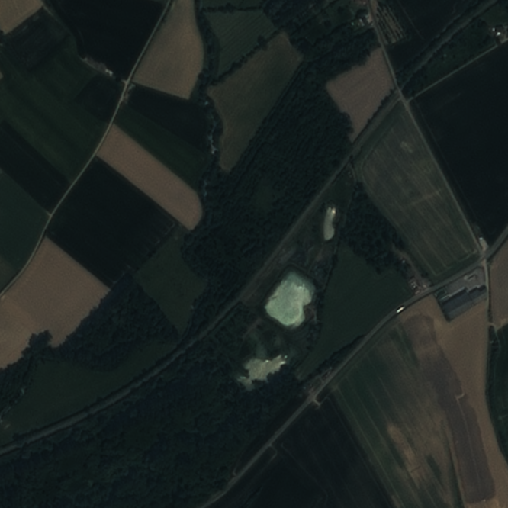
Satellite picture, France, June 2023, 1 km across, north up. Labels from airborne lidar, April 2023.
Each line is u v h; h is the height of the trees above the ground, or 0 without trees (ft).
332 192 0
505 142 0
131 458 24
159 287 0
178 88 0
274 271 0
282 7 69
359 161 0
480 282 0
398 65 0
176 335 102
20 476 104
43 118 0
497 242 0
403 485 0
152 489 102
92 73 0
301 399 0
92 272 0
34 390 0
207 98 27
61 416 0
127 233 0
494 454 0
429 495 0
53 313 0
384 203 0
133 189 0
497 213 0
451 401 0
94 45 0
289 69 0
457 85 0
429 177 0
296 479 0
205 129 0
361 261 0
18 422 0
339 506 0
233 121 0
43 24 0
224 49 0
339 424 0
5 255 0
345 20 0
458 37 42
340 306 0
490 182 0
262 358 0
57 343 0
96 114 0
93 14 0
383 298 0
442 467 0
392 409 0
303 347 0
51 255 0
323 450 0
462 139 0
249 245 27
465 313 0
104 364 111
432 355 0
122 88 0
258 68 0
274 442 0
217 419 27
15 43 0
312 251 0
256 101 0
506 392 0
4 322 0
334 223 0
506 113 0
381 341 0
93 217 0
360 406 0
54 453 94
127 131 0
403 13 0
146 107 0
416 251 0
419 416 0
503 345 0
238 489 0
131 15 0
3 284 0
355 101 0
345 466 0
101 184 0
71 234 0
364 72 0
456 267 0
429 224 0
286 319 0
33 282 0
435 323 0
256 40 0
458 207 0
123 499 105
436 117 0
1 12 0
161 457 114
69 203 0
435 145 0
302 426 0
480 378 0
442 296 0
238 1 0
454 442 0
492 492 0
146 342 27
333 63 64
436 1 0
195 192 0
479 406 0
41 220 0
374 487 0
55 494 0
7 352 0
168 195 0
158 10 0
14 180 0
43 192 0
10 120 0
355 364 0
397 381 0
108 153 0
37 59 0
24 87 0
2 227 0
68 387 0
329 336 0
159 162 0
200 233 38
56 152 0
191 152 0
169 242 0
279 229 19
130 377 0
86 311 0
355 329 0
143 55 0
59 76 0
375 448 0
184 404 111
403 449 0
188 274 0
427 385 0
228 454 43
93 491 28
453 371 0
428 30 0
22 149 0
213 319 0
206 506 0
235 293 38
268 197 0
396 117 0
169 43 0
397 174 0
